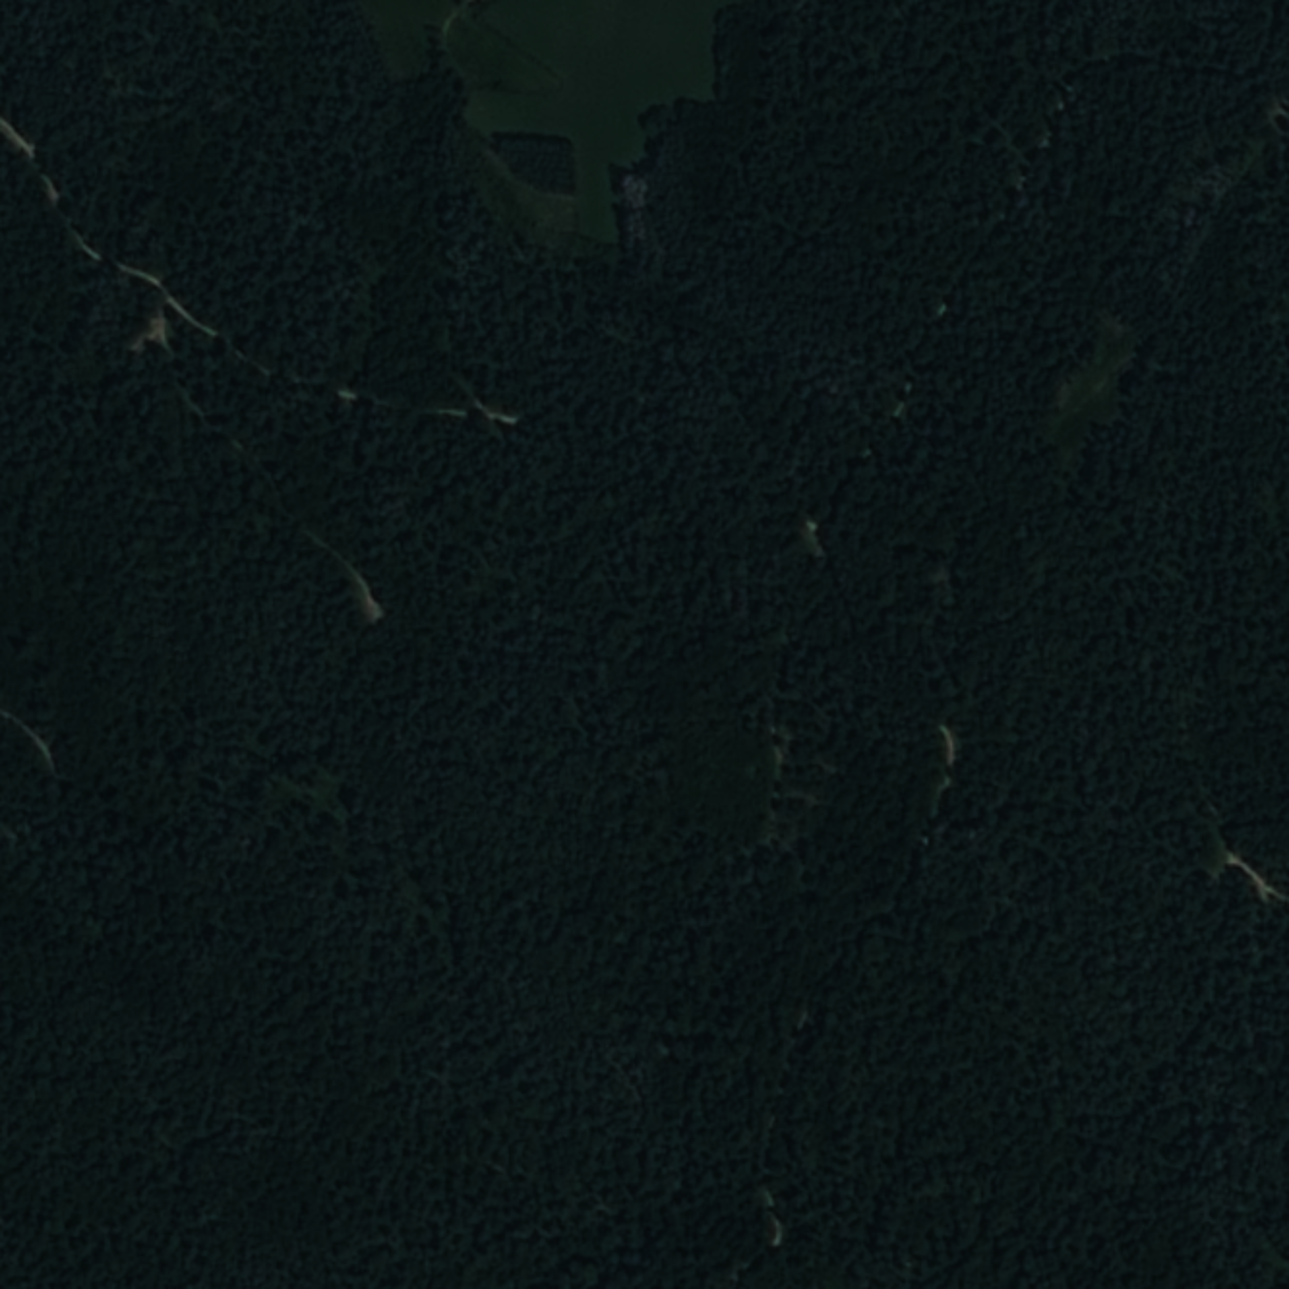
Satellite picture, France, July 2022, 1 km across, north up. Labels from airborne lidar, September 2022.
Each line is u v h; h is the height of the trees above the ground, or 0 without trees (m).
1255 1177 34
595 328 8
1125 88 15
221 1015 17
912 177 20
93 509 12
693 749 9
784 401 28
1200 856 29
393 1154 21
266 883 9
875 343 19
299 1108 20
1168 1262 17
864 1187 14
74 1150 8
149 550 9
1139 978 26
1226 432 17
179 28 25
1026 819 21
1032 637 14
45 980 7
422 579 8
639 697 20
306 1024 25
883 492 24
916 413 12
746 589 22
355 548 17
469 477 8
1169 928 20
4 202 19
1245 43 25
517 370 19
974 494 32
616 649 24
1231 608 9
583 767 23
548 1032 16
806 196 23
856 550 27
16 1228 20
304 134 9
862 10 24
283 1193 15
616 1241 24
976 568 22
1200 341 20
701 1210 16
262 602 20
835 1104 16
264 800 36
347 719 25
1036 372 24
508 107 0
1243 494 15
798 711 15
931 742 16
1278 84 29
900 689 21
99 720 14
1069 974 23
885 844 16
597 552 10
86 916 25
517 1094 22
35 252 11
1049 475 29
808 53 20
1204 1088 28
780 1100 12
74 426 34
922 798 15
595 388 30
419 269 7
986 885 24
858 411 32
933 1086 22
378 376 16
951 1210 7
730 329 20
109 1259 22
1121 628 15
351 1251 21
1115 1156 30
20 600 14
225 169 17
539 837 19
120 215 16
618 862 17
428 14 0
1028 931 23
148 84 7
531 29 0
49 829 18
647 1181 25
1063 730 11
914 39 21
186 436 19
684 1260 25
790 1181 10
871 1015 12
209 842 6
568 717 28
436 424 17
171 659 17
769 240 28
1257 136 28
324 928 26
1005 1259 23
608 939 13
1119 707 14
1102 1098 22
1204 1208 34
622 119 0
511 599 18
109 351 30
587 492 19
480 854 16
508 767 9
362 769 22
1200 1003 26
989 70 14
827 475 26
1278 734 24
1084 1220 26
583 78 0
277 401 28
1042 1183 17
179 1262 17
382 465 8
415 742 21
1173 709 18
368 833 27
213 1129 18
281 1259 14
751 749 11
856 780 13
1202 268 21
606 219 0
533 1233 21
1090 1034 19
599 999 21
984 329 19
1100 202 14
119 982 13
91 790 7
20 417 26
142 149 19
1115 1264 30
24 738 13
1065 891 21
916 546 13
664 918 14
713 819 15
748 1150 15
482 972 13
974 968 8
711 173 16
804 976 13
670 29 0
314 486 13
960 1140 13
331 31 25
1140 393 28
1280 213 10
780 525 23
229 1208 14
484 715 12
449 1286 15
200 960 24
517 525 8
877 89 22
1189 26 13
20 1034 26
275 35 13
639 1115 17
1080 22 31
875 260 24
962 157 17
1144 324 21
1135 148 18
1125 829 17
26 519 19
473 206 27
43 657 14
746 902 24
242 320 28
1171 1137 7
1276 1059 27
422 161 19
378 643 13
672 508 28
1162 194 23
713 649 28
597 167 0
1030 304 27
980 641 21
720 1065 19
